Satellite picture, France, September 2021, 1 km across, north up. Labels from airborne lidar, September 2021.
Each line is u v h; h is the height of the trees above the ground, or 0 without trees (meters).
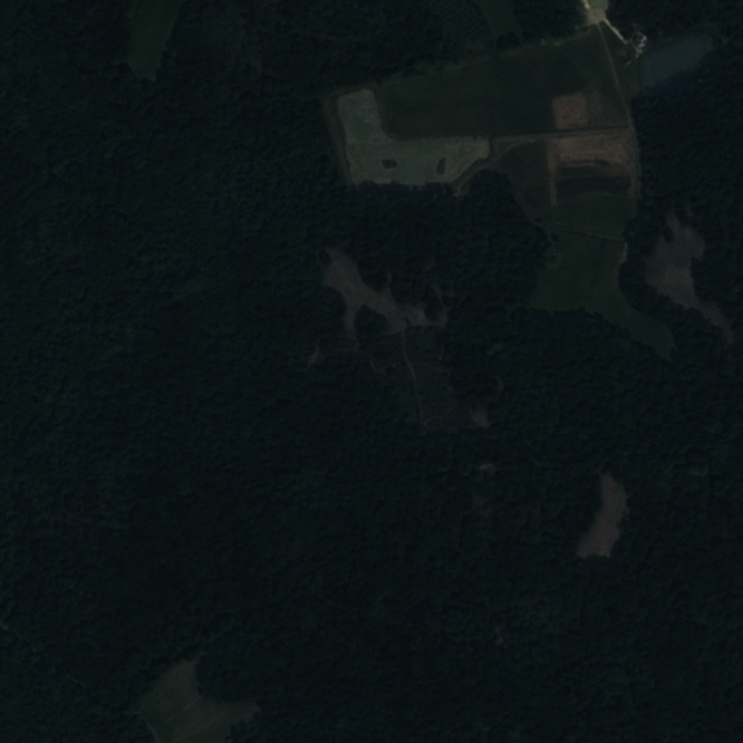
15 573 17
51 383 20
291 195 22
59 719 13
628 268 8
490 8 0
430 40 28
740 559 14
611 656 7
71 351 21
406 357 0
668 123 24
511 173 0
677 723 24
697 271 14
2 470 7
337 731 21
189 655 24
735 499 9
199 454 22
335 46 10
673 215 0
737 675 21
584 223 0
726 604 27
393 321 0
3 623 15
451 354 12
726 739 27
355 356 6
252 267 22
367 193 18
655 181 18
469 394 16
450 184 0
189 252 17
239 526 19
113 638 23
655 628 23
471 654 27
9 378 20
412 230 21
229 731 0
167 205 28
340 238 8
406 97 0
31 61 19
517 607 10
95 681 27
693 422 23
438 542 20
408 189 0
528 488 21
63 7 19
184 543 20
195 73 19
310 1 18
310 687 28
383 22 20
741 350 12
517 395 16
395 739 18
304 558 12
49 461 10
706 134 25
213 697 22
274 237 20
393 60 23
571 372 26
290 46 23
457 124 0
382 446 15
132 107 20
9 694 19
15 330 20
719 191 19
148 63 0
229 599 27
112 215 20
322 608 22
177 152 25
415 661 24
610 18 15
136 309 22
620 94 0
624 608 10
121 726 16
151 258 16
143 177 23
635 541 17
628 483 14
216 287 22
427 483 17
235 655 18
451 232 13
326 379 17
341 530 19
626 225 0
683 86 22
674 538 23
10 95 22
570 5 21
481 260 14
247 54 16
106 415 21
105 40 23
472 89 0
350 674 24
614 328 8
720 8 6
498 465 12
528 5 20
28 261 26
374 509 22
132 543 22
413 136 0
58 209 23
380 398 17
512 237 21
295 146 24
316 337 10
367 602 25
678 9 17
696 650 12
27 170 26
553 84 0
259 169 21
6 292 21
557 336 21
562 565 22
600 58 0
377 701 18
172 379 22
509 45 13
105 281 22
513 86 0
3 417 20
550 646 18
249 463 25
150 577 26
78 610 17
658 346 0
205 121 24
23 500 19
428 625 26
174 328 25
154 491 25
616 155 0
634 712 7
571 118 0
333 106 0
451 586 30
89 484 13
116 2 23
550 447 19
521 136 0
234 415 21
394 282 9
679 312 14
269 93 17
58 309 15
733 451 19
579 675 28
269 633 24
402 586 27
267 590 20
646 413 19
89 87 22
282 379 22
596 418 21
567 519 20
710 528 22
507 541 19
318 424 22
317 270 11
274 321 18
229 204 13
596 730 10
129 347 20
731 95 16
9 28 22
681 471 7
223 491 21
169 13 0
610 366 18
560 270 0
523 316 27
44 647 13
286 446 23
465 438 8
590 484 15
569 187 0
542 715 20
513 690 29
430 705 24
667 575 14
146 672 16
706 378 21
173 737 0
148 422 20
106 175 28
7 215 22
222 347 19
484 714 17
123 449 23
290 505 22
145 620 29
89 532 16
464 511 13
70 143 24
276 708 19
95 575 13
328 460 15
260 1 19
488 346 18
